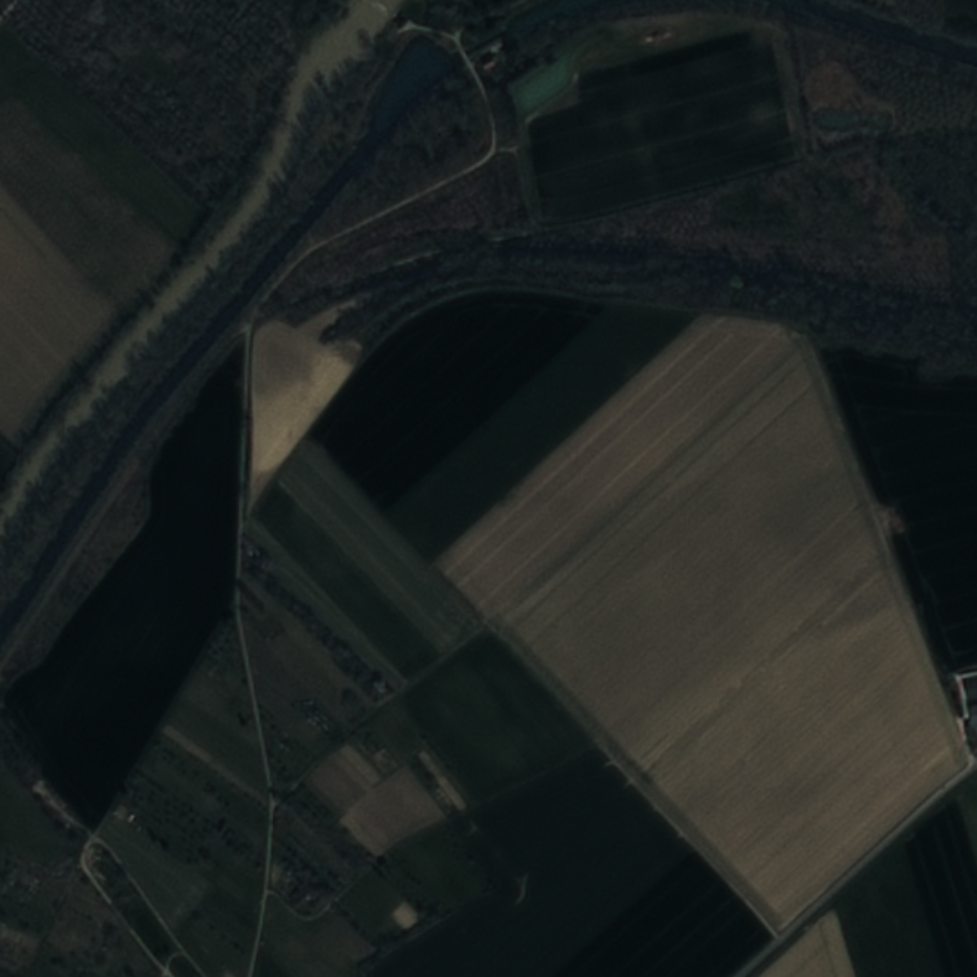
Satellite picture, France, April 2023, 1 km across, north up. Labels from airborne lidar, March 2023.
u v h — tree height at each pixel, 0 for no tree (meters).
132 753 0
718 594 0
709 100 0
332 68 0
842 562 0
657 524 0
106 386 0
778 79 0
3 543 0
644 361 0
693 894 0
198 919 9
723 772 0
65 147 0
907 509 0
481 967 0
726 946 0
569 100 0
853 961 0
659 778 0
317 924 0
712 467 0
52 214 0
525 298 0
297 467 0
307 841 0
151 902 0
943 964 0
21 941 0
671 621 0
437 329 0
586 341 0
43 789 0
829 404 0
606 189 0
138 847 0
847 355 0
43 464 0
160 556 0
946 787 0
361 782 0
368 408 0
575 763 0
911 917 0
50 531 20
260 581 13
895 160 18
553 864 0
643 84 0
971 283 20
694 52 0
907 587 0
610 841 0
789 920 0
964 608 0
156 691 0
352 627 0
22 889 7
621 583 0
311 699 0
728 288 28
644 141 0
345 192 26
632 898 0
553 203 0
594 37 0
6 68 0
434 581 0
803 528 0
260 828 0
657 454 0
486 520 0
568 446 0
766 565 0
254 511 0
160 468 0
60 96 0
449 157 19
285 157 0
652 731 0
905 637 0
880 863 0
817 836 0
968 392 0
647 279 23
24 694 0
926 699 0
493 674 0
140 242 0
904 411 0
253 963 0
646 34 0
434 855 0
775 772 0
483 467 0
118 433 9
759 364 0
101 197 0
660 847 0
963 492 0
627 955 0
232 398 0
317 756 0
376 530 0
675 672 0
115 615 0
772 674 0
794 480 0
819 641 0
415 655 0
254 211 0
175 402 31
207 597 0
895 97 22
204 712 0
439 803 0
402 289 6
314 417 0
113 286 0
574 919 0
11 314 0
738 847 0
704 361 0
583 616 0
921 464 0
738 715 0
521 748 0
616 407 0
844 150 8
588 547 0
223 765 0
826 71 0
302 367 0
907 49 30
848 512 0
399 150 22
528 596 0
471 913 0
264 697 0
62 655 0
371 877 0
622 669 0
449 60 0
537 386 0
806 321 19
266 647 0
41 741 0
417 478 0
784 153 0
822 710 0
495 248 17
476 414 0
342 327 9
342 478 0
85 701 0
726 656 0
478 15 9
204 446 0
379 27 0
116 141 0
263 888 0
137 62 0
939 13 34
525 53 19
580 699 0
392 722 0
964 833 0
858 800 0
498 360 0
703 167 0
